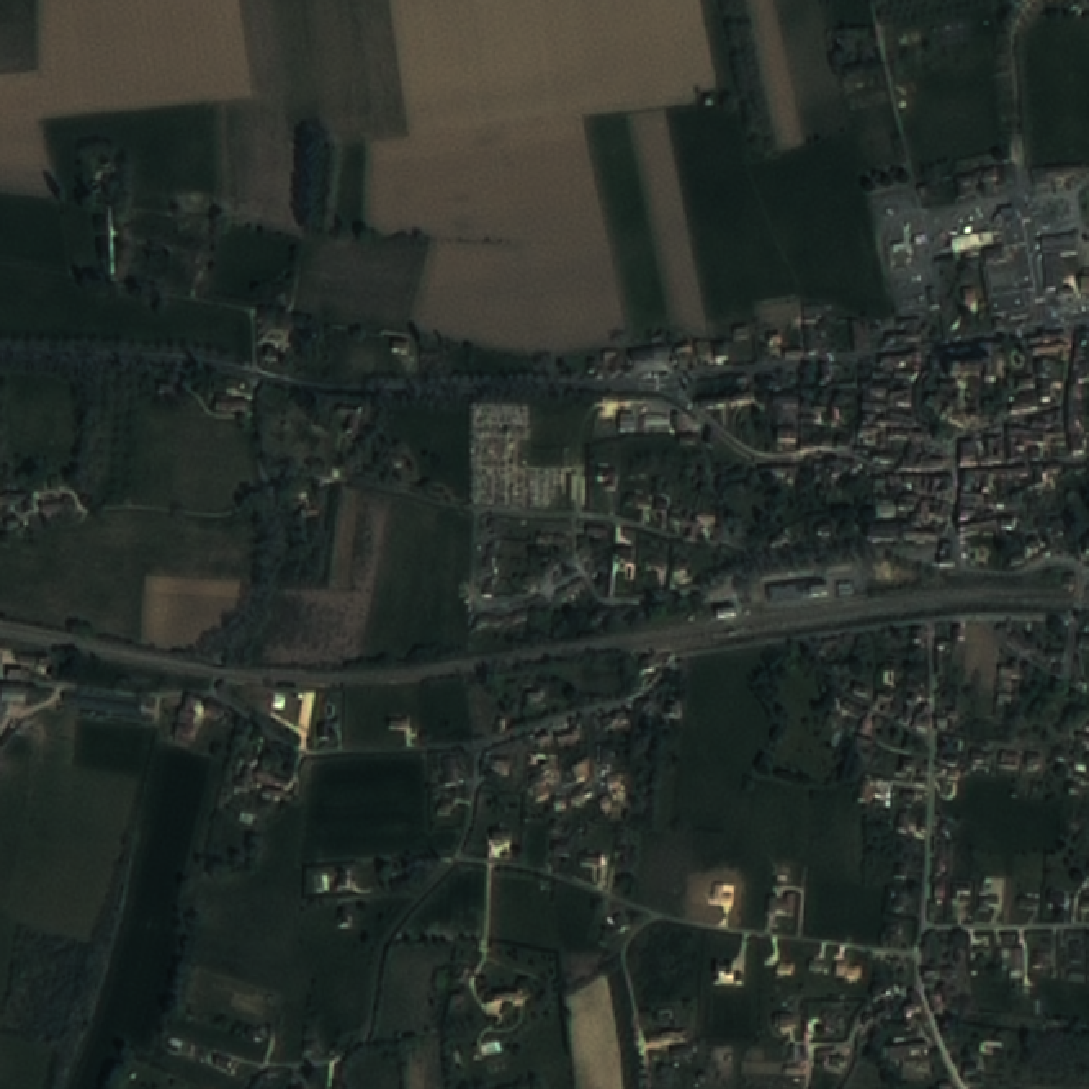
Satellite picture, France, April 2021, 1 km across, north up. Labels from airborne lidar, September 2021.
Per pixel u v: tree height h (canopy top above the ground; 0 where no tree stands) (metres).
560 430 0
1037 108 0
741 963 0
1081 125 0
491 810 0
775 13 0
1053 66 0
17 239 0
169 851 0
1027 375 0
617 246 0
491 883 0
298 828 0
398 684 0
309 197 32
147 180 0
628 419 0
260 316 8
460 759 10
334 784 0
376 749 0
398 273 0
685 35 0
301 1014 0
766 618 0
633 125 0
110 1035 0
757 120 15
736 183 0
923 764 0
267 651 0
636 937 0
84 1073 0
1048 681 9
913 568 10
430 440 0
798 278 0
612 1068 0
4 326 0
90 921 0
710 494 15
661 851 0
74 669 13
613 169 0
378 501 0
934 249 0
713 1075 0
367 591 0
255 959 0
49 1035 6
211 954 0
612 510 0
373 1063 0
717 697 0
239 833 0
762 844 0
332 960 0
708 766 0
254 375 0
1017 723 19
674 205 0
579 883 0
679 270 0
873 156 0
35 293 0
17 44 0
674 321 0
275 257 0
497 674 12
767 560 13
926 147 0
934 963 8
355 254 0
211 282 0
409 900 0
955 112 0
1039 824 0
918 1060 7
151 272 0
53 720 0
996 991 0
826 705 9
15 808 0
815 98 0
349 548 0
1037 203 0
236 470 0
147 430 0
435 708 0
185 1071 0
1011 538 15
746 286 0
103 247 0
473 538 0
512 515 0
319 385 0
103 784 0
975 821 0
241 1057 0
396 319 0
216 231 12
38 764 0
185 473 0
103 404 10
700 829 0
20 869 0
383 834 0
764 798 0
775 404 0
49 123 0
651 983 0
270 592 20
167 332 0
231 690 0
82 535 0
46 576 0
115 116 0
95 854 0
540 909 0
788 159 0
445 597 0
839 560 10
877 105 0
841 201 0
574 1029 0
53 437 0
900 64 7
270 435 0
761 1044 0
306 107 0
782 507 14
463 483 0
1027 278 0
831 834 0
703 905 0
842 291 0
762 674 11
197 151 0
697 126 0
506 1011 8
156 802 0
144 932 0
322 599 0
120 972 0
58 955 10
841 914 0
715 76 0
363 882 0
